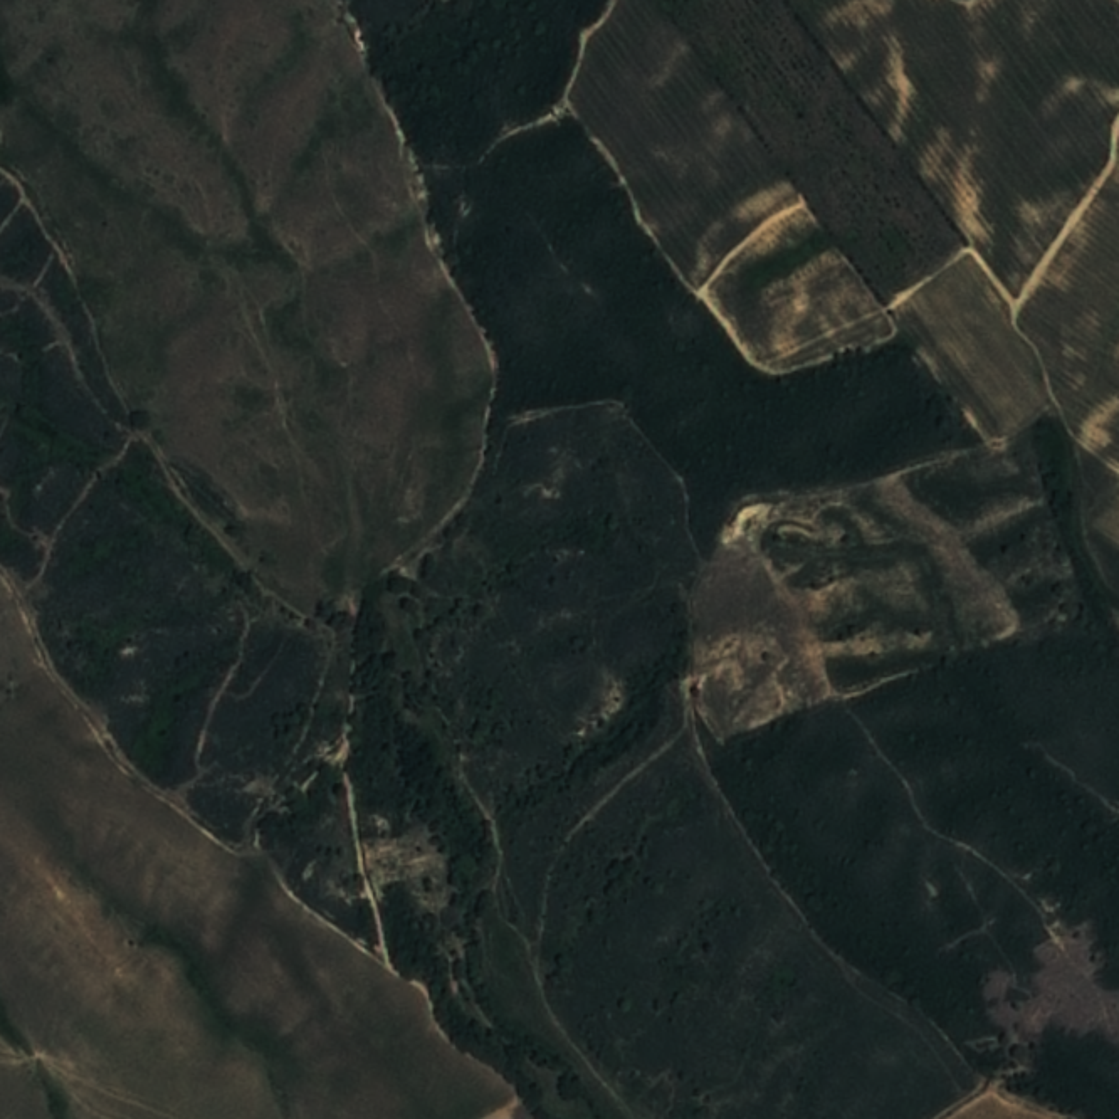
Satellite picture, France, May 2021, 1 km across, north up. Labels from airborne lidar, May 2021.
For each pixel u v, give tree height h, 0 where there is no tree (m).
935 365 0
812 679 0
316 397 0
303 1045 0
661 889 8
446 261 7
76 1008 0
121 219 0
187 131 0
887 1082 0
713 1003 0
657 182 0
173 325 0
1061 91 0
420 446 0
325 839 0
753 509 0
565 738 0
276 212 0
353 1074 0
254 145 0
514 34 10
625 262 6
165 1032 0
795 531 0
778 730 10
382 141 0
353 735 7
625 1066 0
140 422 13
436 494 0
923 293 0
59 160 0
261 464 0
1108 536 0
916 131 0
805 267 0
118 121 0
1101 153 0
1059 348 0
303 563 0
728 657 0
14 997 0
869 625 0
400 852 0
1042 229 0
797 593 0
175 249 0
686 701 0
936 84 0
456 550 0
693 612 0
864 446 7
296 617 8
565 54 7
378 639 9
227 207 0
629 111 0
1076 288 0
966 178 0
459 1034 10
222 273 0
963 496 0
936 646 0
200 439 0
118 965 0
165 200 0
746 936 0
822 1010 0
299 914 0
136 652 0
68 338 0
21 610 0
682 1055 0
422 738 20
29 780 0
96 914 0
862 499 0
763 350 0
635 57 0
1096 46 0
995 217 0
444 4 8
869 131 0
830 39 0
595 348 5
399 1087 0
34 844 0
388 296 0
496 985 0
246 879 0
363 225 0
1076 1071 5
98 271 0
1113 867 8
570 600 0
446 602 0
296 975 0
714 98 0
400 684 10
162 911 0
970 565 0
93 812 0
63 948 0
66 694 0
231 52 0
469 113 6
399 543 0
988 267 0
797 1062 0
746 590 0
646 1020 0
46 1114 0
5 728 0
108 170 0
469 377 0
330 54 0
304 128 0
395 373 0
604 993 0
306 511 0
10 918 0
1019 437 0
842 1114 0
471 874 10
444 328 0
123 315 0
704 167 0
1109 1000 0
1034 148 0
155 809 0
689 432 5
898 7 0
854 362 7
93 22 0
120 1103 0
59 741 0
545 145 6
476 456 0
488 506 0
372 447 0
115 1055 0
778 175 0
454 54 6
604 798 0
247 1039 0
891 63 0
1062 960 0
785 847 9
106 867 0
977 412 0
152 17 0
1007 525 0
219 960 0
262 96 0
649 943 0
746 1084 0
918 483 0
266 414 0
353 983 0
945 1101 0
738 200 0
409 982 7
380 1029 0
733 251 0
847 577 0
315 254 0
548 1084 0
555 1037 0
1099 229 0
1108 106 0
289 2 0
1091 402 0
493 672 0
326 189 0
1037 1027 0
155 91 0
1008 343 0
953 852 0
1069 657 8
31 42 0
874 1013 0
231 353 0
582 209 7
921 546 0
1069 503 10
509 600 0
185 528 6
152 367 0
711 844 0
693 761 0
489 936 0
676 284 9
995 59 0
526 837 0
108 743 0
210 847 0
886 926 9
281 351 0
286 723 11
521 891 0
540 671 0
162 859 0
